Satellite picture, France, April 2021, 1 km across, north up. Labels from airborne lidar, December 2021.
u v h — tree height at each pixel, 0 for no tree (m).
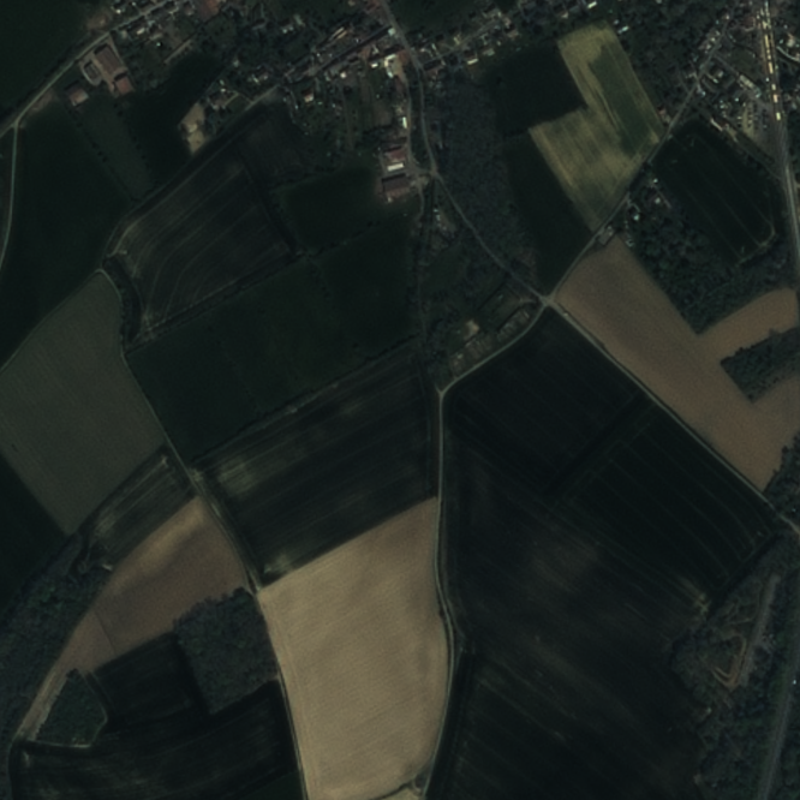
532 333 0
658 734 0
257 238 0
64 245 0
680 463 0
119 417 0
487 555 0
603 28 0
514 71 0
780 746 0
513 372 0
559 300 0
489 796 0
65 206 0
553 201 0
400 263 0
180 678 0
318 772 0
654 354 0
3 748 6
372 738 0
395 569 0
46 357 0
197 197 0
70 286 0
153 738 0
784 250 18
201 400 0
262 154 0
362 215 0
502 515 0
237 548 0
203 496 0
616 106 0
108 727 0
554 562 0
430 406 0
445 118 17
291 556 0
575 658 0
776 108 0
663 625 0
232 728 0
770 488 5
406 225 0
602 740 0
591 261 0
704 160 0
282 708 0
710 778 19
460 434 0
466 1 0
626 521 0
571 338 0
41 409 0
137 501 0
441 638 0
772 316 0
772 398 0
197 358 0
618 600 0
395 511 0
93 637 0
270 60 7
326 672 0
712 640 17
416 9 0
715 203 0
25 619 13
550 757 0
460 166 24
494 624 0
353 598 0
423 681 0
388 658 0
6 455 0
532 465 0
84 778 0
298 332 0
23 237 0
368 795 0
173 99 0
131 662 0
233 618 14
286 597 0
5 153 0
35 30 0
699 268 6
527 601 0
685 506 0
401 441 0
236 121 0
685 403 0
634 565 0
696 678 16
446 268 0
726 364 8
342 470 0
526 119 0
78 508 0
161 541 0
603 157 0
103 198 0
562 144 0
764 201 0
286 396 0
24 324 0
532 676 0
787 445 0
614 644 0
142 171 0
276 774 0
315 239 0
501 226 21
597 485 0
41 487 0
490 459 0
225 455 0
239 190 0
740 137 0
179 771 0
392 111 0
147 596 0
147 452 0
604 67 0
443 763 0
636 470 0
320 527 0
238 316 0
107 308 0
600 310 0
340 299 0
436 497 0
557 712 0
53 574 13
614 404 0
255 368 0
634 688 0
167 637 0
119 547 0
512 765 0
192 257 0
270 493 0
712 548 0
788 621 22
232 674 20
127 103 0
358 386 0
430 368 13
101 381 0
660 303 0
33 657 8
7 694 11
